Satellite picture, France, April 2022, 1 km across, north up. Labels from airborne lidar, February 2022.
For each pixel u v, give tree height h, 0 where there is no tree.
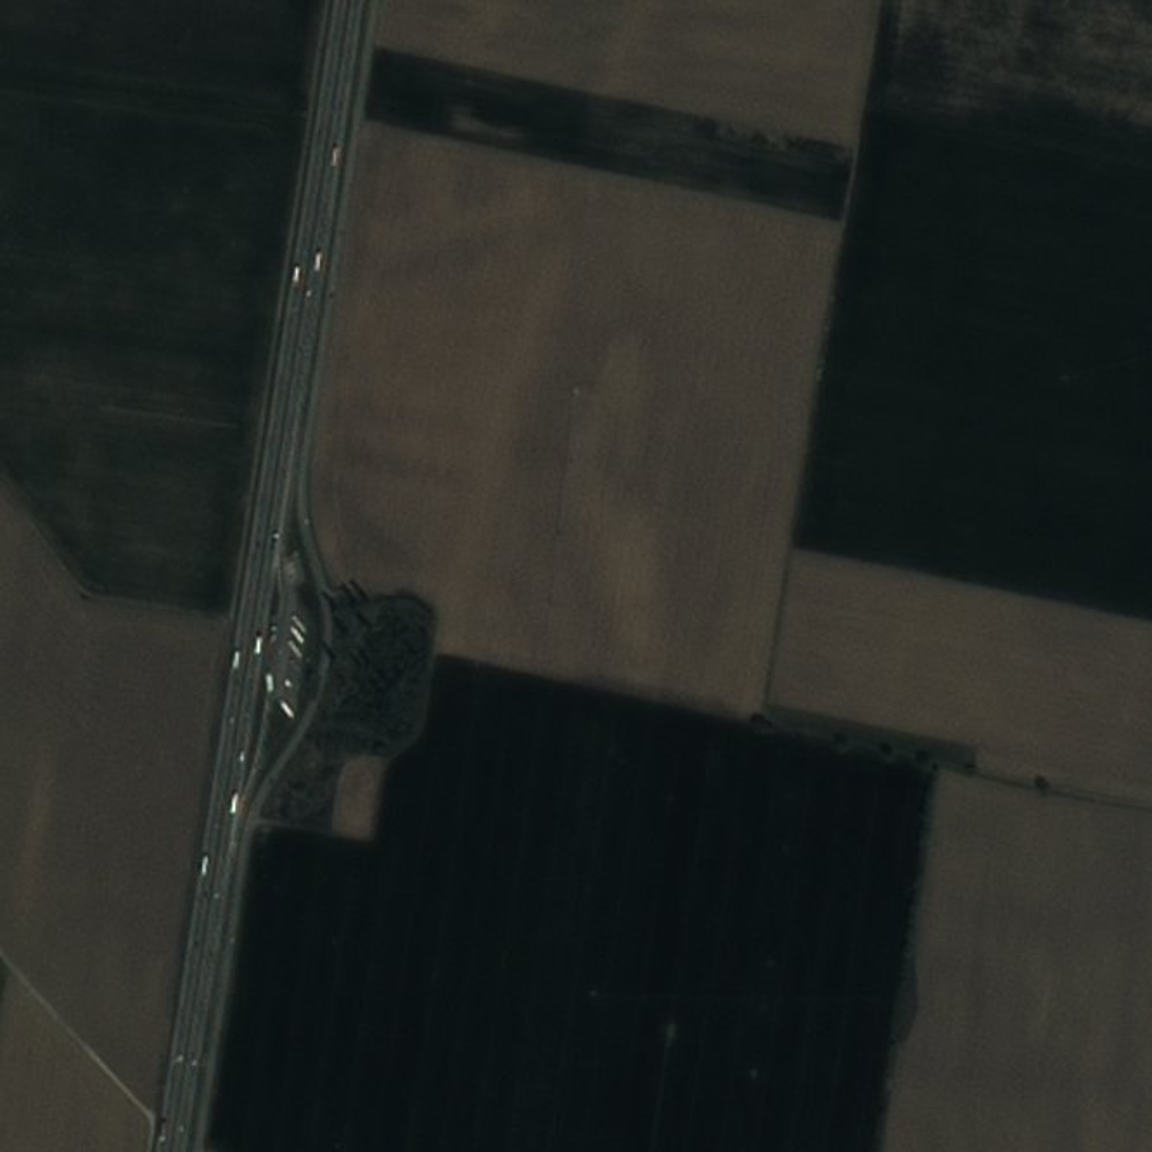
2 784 0
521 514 0
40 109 0
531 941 0
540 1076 0
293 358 0
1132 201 0
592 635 0
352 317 0
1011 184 0
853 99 0
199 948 0
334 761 16
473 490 0
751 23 0
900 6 0
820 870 0
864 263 0
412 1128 0
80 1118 0
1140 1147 0
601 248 0
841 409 0
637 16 0
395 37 0
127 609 0
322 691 0
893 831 0
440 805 0
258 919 0
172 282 0
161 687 0
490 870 0
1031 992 0
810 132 0
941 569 0
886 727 0
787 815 0
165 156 0
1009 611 0
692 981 0
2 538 0
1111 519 0
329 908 0
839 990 0
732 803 0
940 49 0
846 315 0
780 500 0
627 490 0
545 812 0
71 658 0
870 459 0
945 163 0
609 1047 0
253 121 0
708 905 0
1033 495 0
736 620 0
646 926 0
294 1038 0
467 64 0
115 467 0
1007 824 0
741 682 0
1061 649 0
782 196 0
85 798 0
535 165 0
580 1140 0
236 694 0
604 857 0
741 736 0
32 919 0
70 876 0
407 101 0
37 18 0
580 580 0
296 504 0
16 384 0
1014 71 0
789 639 0
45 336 0
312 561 0
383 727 11
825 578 0
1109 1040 0
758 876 0
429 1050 0
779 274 0
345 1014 0
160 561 0
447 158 0
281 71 0
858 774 0
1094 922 0
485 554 0
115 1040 0
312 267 0
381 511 0
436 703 0
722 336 0
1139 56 0
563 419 0
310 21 0
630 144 0
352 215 0
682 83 0
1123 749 0
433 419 0
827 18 0
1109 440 0
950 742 0
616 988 0
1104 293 0
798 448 0
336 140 0
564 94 0
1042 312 0
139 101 0
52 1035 0
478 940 0
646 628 0
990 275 0
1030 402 0
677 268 0
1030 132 0
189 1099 0
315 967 0
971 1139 0
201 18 0
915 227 0
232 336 0
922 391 0
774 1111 0
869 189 0
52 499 0
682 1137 0
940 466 0
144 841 0
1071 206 0
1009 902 0
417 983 0
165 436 0
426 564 0
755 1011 0
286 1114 0
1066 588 0
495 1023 0
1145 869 0
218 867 0
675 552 0
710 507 0
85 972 0
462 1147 0
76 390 0
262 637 0
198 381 0
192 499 0
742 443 0
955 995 0
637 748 0
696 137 0
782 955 0
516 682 0
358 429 0
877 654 0
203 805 0
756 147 0
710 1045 0
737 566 0
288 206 0
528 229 0
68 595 0
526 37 0
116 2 0
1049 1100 0
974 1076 0
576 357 0
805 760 0
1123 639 0
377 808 0
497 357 0
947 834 0
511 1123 0
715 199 0
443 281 0
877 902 0
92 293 0
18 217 0
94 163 0
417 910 0
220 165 0
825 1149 0
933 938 0
